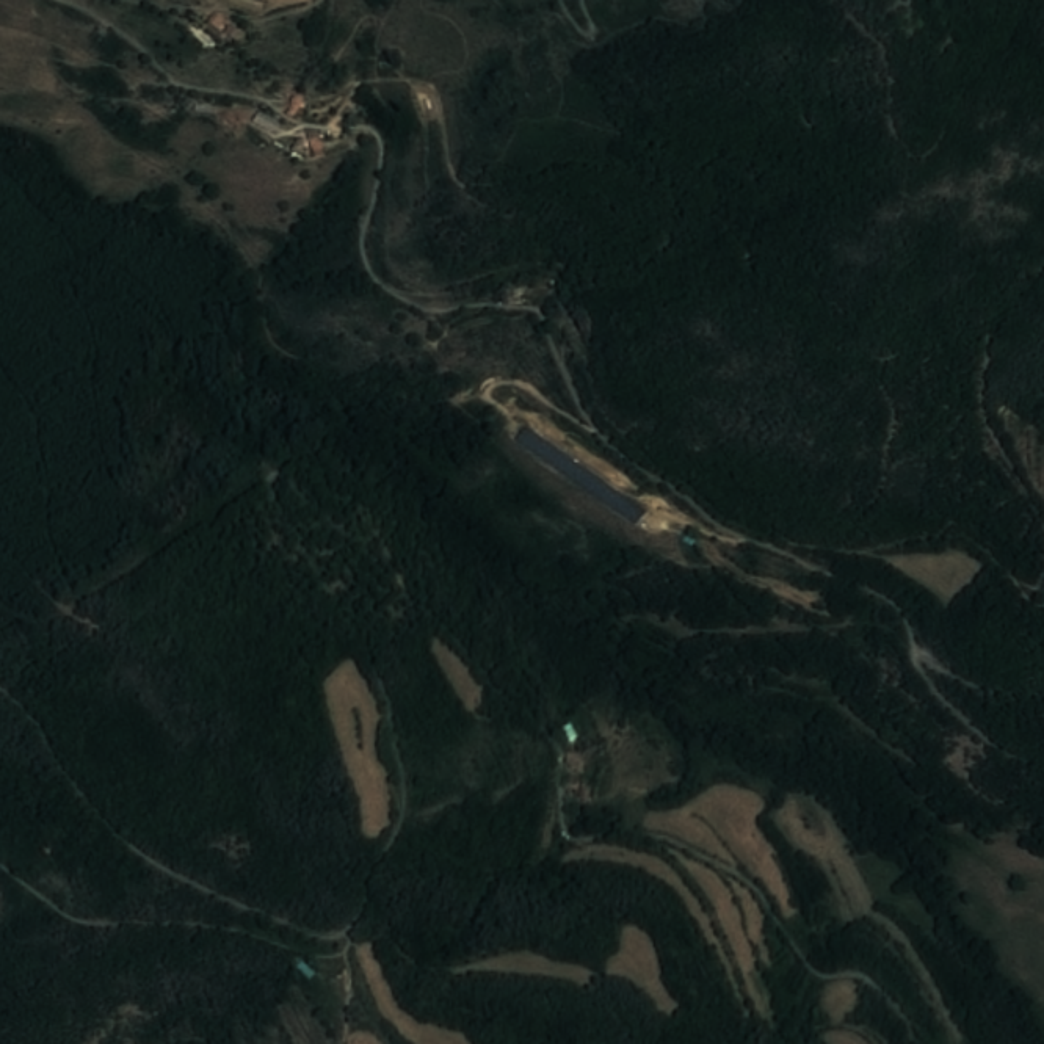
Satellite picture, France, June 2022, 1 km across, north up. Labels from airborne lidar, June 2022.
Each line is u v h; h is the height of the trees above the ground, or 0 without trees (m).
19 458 18
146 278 16
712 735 10
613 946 15
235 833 10
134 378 28
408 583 9
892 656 8
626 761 0
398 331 9
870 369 11
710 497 13
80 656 11
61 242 17
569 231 16
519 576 28
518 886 22
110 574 22
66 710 11
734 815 0
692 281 12
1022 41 16
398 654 20
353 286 10
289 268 13
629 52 12
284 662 22
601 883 18
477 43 0
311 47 14
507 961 0
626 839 17
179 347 15
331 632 19
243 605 20
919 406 8
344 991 0
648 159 16
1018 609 9
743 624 12
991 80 14
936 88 12
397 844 6
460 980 14
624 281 13
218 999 13
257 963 16
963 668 13
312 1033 0
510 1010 12
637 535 0
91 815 16
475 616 11
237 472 30
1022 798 20
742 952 0
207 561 17
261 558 18
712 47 17
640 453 7
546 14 0
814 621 14
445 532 16
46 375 14
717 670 16
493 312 10
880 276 10
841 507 13
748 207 13
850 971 7
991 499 13
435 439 13
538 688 12
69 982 8
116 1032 9
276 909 13
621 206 14
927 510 16
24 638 10
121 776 10
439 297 0
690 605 15
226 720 15
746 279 11
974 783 12
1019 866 0
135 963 12
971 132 9
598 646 22
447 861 8
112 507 15
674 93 15
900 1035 10
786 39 12
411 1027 0
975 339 17
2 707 17
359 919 8
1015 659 14
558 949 23
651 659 6
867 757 7
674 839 0
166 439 18
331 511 12
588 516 0
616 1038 20
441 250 7
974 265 16
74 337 16
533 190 11
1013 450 10
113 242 17
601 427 10
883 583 18
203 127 0
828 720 15
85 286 11
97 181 0
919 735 14
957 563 0
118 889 7
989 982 22
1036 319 17
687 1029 17
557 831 9
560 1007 17
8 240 14
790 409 8
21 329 13
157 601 13
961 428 12
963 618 14
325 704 8
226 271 21
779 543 13
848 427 9
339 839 19
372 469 12
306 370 20
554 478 0
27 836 14
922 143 9
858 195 11
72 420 15
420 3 0
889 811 17
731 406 8
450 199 8
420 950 13
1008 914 0
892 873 0
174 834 11
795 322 11
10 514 15
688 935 10
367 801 0
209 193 14
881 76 7
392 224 0
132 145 0
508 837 6
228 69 0
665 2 0
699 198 18
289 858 13
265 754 21
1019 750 15
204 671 14
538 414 0
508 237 10
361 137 15
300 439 31
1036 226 8
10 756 12
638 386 12
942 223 10
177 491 7
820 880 10
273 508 11
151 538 21
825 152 13
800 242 14
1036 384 16
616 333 6
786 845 9
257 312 16
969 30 15
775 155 13
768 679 17
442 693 6
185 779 9
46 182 16
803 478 13
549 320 11
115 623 13
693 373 9
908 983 12
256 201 0
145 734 8
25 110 0
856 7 13
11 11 0
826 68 9
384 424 21
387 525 10
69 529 9
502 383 0
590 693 9
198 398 19
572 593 7
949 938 15
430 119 0
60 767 12
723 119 19
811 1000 8
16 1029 12
